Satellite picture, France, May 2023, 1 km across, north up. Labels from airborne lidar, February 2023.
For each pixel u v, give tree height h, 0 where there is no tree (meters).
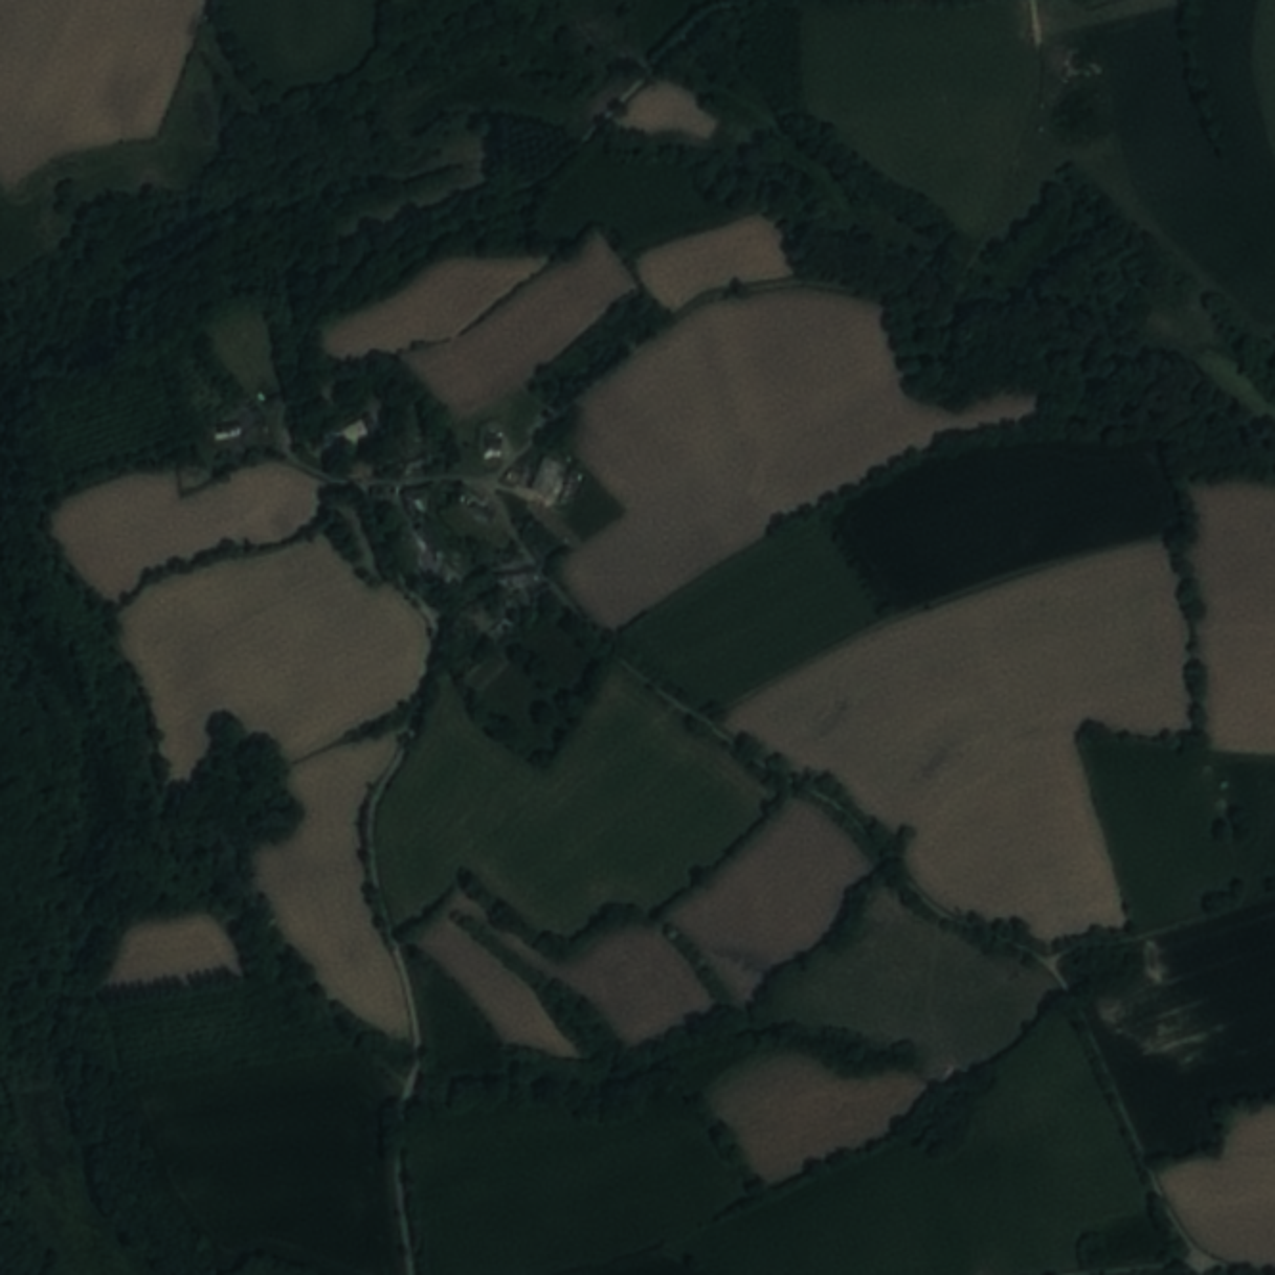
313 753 0
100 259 24
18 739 22
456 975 0
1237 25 0
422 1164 0
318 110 18
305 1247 0
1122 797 0
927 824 0
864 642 0
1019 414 0
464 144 0
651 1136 0
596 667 15
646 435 0
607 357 6
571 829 0
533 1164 0
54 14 0
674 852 0
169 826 23
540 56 10
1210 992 0
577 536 0
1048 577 0
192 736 0
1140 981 0
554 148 24
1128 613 0
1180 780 0
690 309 0
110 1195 21
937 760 0
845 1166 11
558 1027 6
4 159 0
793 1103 0
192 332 11
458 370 0
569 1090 17
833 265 21
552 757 6
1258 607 0
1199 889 0
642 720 0
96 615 11
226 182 13
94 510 0
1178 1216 0
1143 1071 0
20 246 0
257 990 9
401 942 14
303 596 0
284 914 0
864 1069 13
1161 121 0
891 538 0
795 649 0
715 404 0
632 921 11
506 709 0
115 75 0
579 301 0
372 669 0
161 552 0
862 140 0
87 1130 21
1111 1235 0
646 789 0
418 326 0
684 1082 7
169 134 0
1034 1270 0
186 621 0
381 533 18
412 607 9
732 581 0
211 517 0
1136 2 0
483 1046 0
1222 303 7
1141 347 8
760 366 0
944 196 0
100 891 14
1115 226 16
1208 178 0
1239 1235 0
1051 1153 0
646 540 0
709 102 11
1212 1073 0
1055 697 0
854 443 0
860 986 0
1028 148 0
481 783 0
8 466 6
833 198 0
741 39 9
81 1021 17
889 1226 0
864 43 0
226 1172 0
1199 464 22
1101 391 25
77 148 0
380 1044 10
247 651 0
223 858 21
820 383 0
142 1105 0
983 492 0
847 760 0
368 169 8
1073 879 0
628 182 0
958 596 0
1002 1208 0
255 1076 0
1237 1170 0
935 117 0
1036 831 0
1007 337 21
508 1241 0
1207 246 0
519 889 0
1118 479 0
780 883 0
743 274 0
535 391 8
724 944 0
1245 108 0
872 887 11
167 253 28
